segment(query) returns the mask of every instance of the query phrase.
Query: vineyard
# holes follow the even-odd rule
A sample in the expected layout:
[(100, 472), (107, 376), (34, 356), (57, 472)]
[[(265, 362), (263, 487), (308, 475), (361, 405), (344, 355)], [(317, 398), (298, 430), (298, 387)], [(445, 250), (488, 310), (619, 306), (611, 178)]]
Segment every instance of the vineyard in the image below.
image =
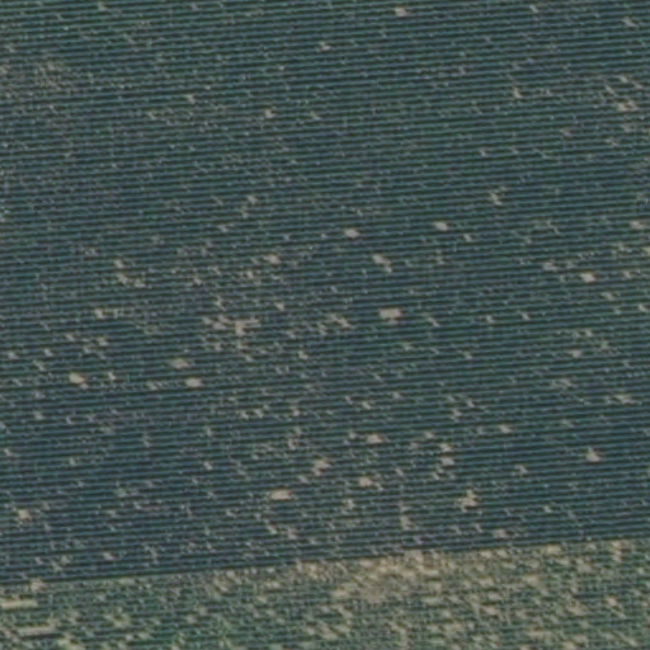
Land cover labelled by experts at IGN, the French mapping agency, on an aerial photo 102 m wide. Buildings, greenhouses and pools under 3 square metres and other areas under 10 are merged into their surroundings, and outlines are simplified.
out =
[(0, 650), (650, 650), (650, 0), (0, 0)]

